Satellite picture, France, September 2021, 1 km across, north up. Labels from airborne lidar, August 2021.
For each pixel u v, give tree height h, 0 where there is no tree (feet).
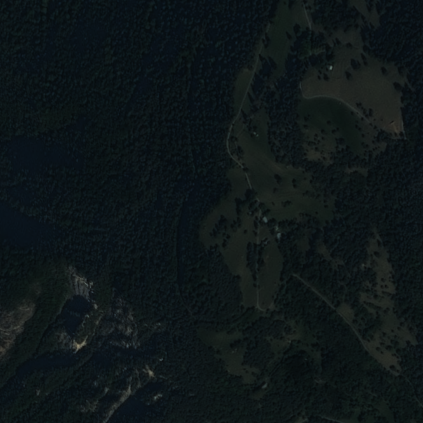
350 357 86
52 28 56
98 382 24
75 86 100
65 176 81
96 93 65
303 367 60
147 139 57
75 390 31
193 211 69
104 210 60
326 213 0
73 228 61
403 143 37
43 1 66
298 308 25
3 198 61
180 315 58
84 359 38
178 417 42
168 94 90
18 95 52
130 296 52
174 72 37
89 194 86
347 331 52
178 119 70
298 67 58
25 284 53
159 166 63
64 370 40
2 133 44
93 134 84
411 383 51
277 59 0
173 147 88
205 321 50
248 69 26
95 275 30
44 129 61
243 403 53
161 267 65
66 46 76
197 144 54
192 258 57
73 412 47
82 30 50
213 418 35
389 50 71
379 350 27
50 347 37
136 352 22
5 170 48
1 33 59
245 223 0
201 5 78
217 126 86
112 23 78
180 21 68
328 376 76
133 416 25
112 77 74
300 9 0
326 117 0
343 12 46
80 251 62
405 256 50
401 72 34
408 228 60
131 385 28
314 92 0
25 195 38
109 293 36
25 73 73
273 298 21
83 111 81
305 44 52
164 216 60
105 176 77
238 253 0
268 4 60
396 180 68
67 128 25
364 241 49
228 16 83
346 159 41
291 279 30
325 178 44
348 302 49
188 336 56
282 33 0
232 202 0
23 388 35
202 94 77
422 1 77
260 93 54
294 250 38
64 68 88
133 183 62
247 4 82
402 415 23
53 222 39
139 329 30
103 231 33
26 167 34
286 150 39
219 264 58
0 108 54
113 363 33
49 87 77
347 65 0
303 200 0
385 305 0
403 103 38
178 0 57
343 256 48
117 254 59
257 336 48
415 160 28
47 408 42
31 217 24
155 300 39
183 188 65
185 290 59
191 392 35
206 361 41
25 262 91
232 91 55
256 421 48
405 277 41
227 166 66
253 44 47
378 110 0
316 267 71
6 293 41
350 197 23
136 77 76
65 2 63
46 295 57
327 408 82
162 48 71
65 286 27
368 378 72
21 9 60
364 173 0
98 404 21
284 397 37
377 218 58
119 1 85
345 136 0
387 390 51
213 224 0
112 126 74
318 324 60
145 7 85
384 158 65
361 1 0
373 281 33
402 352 21
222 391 58
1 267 69
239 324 34
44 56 73
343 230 54
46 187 78
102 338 17
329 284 47
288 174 0
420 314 43
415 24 76
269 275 0
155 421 46
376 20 0
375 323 25
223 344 0
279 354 28
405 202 39
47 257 51
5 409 23
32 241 45
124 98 75
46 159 82
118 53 81
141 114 66
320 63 23
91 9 94
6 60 55
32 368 39
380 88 0
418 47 65
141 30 94
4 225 58
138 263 26
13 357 47
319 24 47
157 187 61
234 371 0
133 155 73
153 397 26
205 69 45
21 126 69
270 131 20
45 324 60
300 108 0
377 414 52
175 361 61
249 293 0
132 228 60
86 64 87
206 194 82
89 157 65
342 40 0
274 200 0
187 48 55
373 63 0
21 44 75
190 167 62
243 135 0
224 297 64
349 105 0
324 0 51
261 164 0
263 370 32
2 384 48
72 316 23
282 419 32
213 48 22
